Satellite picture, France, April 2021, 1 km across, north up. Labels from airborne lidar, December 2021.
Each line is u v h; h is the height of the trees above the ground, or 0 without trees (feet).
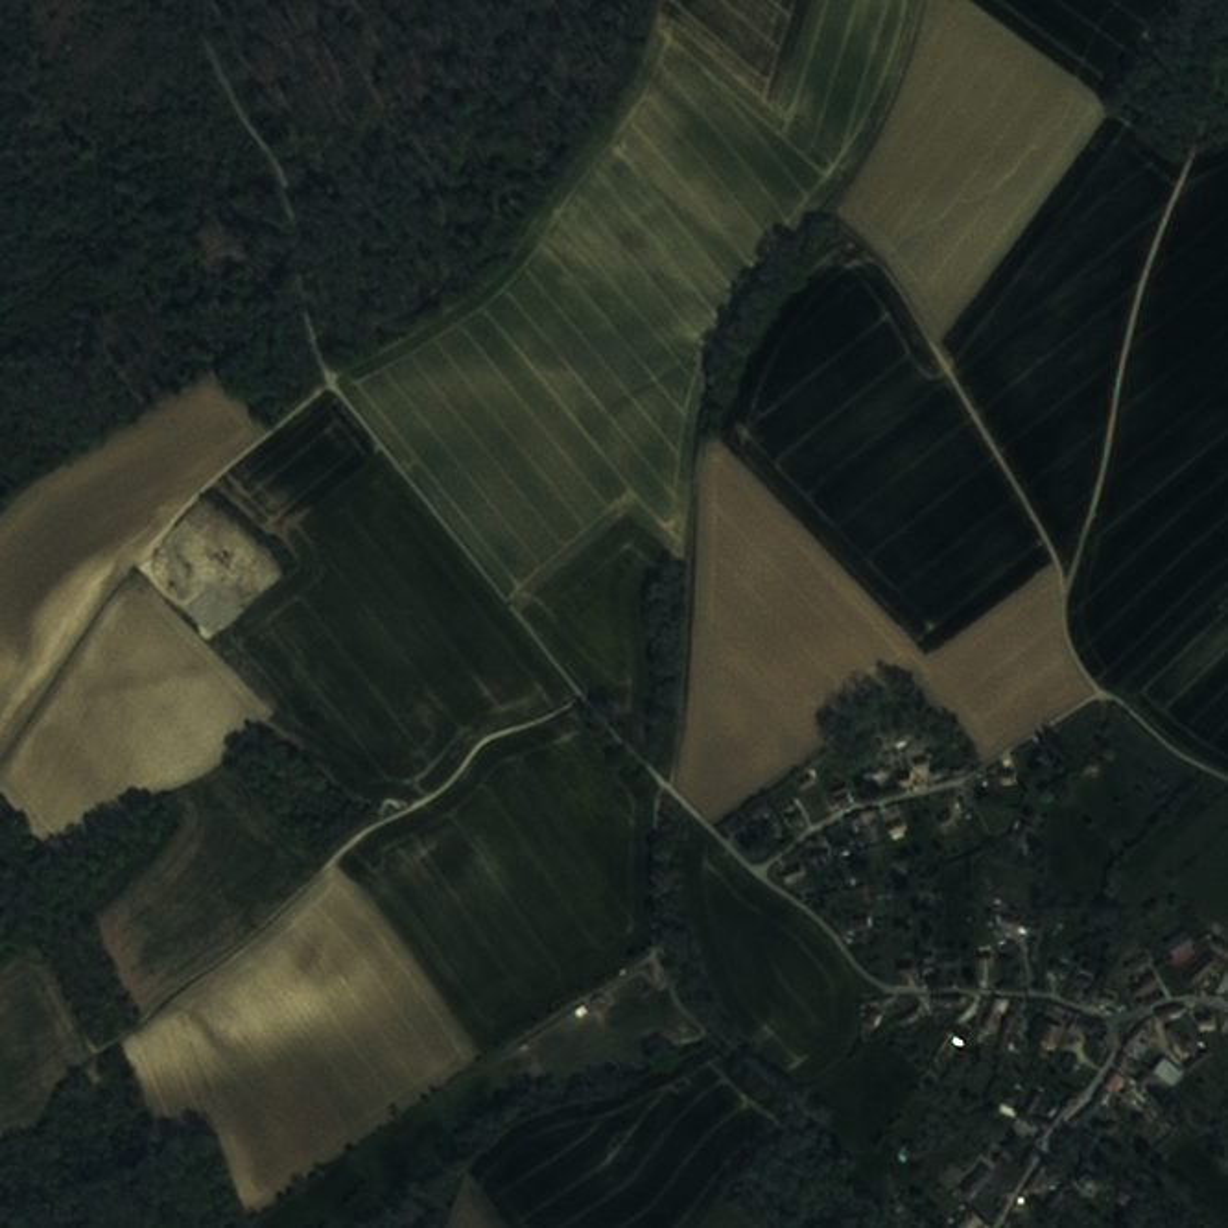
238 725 0
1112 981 0
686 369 0
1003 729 0
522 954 0
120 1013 73
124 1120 37
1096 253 0
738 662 0
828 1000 0
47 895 75
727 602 0
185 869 0
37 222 35
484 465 0
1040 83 0
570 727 0
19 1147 73
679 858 31
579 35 100
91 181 25
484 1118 51
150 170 31
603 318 0
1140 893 0
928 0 0
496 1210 0
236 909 0
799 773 21
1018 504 0
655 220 0
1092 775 0
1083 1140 35
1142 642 0
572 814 0
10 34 25
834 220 31
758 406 0
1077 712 0
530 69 96
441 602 0
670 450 0
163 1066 0
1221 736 0
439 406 0
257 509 0
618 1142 0
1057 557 0
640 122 0
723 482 0
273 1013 0
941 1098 40
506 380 0
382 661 0
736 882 0
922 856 34
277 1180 0
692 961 50
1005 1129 43
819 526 0
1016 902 0
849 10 0
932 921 32
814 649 0
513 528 0
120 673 0
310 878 0
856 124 0
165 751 0
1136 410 0
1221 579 0
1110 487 0
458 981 0
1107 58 0
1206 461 0
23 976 0
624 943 0
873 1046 0
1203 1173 0
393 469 0
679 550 0
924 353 0
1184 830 0
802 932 0
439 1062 0
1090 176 0
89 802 0
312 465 0
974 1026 24
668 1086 0
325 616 0
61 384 100
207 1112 0
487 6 93
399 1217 59
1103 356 0
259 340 46
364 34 95
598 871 0
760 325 83
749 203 0
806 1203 105
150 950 0
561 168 87
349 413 0
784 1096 62
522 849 0
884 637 0
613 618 0
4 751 0
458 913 0
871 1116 0
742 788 0
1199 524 0
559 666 0
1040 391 0
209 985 0
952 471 0
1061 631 0
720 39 0
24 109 23
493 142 99
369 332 77
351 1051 0
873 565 0
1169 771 0
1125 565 0
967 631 0
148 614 0
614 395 0
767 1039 0
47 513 0
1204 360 0
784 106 0
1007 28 0
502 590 0
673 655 73
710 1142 0
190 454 0
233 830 0
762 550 0
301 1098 0
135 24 28
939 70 0
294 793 57
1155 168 0
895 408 0
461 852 0
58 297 25
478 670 0
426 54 88
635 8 99
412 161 104
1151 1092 28
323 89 95
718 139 0
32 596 0
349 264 91
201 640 0
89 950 74
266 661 0
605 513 0
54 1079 0
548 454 0
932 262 0
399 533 0
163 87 41
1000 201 0
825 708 0
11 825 58
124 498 0
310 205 90
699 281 0
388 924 0
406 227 94
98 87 36
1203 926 0
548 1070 0
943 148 0
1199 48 65
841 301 0
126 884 35
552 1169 0
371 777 0
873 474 0
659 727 55
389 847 0
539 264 0
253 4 95
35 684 0
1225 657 0
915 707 62
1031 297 0
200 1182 84
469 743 0
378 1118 0
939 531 0
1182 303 0
